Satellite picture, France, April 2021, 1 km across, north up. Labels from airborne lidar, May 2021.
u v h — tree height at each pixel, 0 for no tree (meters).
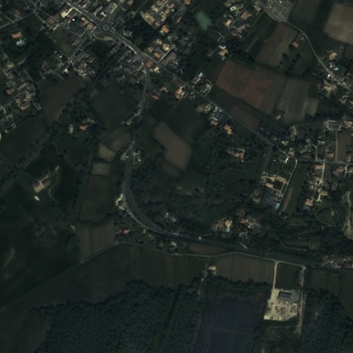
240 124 0
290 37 0
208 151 0
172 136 0
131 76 0
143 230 0
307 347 15
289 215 6
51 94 0
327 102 6
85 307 20
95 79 8
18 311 0
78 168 7
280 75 0
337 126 0
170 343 8
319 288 0
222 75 0
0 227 0
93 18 0
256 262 0
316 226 8
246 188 7
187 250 9
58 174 0
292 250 10
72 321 21
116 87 0
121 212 9
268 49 0
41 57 12
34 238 0
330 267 0
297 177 0
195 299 17
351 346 14
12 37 9
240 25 0
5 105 0
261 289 15
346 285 0
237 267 0
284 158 0
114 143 0
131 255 0
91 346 23
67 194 0
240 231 8
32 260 0
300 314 0
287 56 12
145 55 0
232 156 10
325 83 10
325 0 0
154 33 15
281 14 0
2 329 0
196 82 6
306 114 0
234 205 13
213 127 7
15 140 0
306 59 0
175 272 0
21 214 0
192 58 6
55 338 16
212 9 0
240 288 9
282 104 0
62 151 8
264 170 0
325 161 0
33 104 10
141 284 19
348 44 6
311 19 0
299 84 0
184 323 11
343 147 0
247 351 0
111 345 20
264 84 0
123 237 16
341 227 18
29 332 0
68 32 0
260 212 12
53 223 0
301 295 0
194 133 0
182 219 12
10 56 13
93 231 0
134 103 0
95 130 13
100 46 0
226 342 0
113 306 19
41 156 0
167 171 0
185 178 0
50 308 15
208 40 0
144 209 15
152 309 23
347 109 0
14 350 0
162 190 0
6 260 0
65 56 8
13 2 9
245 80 0
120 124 0
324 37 0
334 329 17
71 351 23
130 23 6
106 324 21
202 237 10
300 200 7
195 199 12
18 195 0
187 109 0
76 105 16
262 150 11
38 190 0
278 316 0
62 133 14
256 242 6
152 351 16
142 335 9
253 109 0
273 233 16
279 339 0
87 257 0
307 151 0
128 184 0
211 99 0
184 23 11
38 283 0
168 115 0
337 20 0
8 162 0
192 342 0
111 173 0
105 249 0
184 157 0
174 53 0
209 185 7
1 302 0
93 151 10
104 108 0
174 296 18
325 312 13
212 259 6
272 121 0
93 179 0
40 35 10
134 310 22
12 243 0
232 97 0
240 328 0
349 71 6
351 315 0
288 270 0
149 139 0
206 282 0
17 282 0
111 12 0
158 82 7
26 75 0
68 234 0
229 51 8
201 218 14
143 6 0
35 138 0
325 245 11
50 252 0
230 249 11
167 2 0
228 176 0
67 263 0
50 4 7
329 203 0
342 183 9
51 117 0
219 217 6
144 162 0
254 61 32
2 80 7
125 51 12
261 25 0
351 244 16
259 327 8
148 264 0
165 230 13
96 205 0
